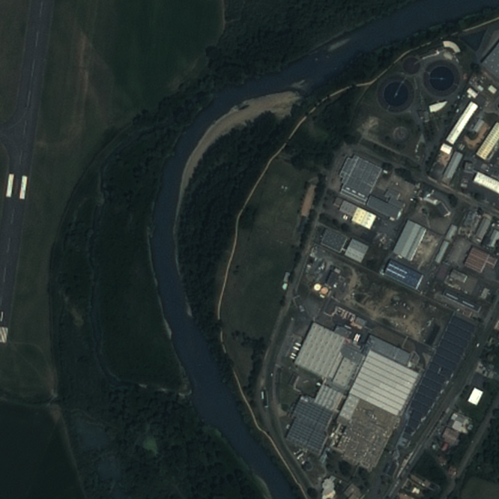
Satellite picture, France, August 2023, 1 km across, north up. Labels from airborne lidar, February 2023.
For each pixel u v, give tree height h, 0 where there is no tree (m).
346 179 0
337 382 0
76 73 0
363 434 0
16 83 0
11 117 0
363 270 0
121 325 0
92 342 6
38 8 0
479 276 0
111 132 0
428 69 0
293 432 0
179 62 0
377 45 0
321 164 17
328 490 0
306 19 6
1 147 0
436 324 0
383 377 0
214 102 0
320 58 0
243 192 21
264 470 0
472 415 0
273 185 0
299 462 0
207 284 16
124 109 0
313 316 0
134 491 11
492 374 0
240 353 0
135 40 0
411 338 0
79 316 0
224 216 8
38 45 0
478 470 6
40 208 0
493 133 0
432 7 0
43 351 0
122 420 15
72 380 6
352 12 21
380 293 0
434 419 0
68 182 0
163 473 11
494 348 8
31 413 0
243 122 0
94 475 9
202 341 0
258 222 0
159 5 0
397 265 0
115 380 0
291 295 0
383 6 8
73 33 0
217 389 0
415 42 19
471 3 0
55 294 0
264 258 0
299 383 0
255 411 0
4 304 0
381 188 0
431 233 0
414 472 6
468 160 0
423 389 0
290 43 23
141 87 0
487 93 0
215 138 0
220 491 27
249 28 8
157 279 0
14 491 0
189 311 0
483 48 0
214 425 0
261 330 0
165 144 13
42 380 0
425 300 0
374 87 0
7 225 0
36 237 0
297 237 0
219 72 18
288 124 18
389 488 0
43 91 0
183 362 0
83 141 0
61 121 0
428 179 0
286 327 0
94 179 0
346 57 0
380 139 0
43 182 0
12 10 0
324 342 0
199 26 0
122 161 11
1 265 0
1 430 0
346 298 0
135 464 12
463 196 0
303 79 0
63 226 0
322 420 0
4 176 0
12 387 0
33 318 0
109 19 0
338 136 16
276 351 0
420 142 0
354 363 0
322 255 0
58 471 0
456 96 0
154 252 0
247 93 0
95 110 0
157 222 0
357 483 12
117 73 0
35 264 0
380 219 0
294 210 0
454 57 0
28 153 0
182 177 0
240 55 17
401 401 0
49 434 0
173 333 0
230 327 0
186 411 19
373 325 0
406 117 0
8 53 0
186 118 28
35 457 0
